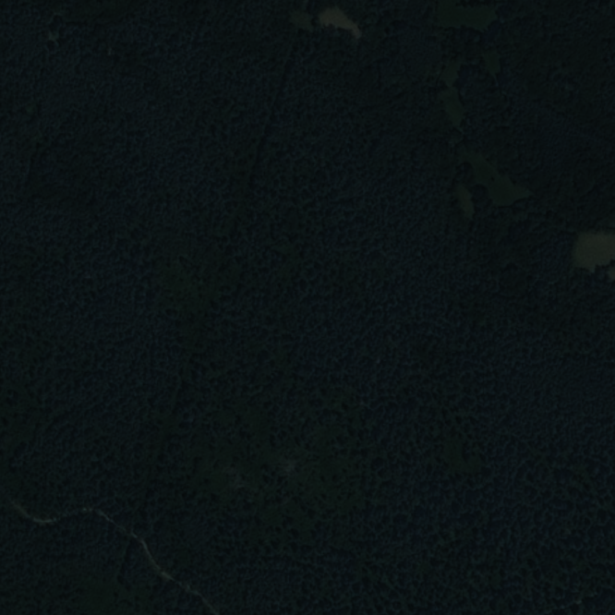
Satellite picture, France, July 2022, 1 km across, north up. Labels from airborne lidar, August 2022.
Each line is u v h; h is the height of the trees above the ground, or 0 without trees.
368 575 8
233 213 6
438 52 23
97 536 19
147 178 20
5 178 15
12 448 9
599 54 27
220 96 21
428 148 20
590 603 33
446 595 19
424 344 15
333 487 7
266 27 15
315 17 11
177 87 18
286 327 26
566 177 23
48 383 22
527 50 26
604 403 25
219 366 21
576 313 20
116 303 23
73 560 19
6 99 17
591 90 28
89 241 22
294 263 6
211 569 10
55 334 28
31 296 17
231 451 7
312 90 22
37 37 24
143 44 22
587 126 21
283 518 6
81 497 23
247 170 9
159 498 11
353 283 12
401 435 23
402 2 29
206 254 21
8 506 10
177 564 17
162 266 8
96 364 20
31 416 17
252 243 12
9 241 25
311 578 20
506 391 8
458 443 6
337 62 19
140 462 9
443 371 9
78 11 21
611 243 0
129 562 25
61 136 17
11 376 18
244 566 7
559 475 32
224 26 14
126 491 16
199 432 11
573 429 21
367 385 17
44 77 25
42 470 14
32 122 19
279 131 26
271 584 23
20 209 18
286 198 22
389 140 25
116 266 24
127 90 21
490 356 23
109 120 24
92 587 8
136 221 9
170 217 21
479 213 15
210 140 12
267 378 17
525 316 19
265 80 28
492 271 21
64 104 20
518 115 29
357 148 15
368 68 26
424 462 21
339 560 13
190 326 9
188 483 8
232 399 12
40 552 21
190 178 22
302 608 18
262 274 15
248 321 17
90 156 19
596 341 24
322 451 9
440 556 13
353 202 25
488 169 0
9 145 21
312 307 22
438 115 21
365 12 9
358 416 6
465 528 15
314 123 14
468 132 22
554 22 24
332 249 26
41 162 15
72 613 20
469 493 7
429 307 26
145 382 20
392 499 21
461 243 20
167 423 7
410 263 22
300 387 8
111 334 25
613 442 32
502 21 22
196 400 8
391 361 32
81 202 23
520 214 17
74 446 13
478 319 18
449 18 0
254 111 22
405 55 24
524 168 21
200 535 20
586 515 8
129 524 22
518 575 6
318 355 23
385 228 22
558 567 19
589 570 22
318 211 20
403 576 27
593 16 29
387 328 9
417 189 17
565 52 27
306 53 21
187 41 26
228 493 7
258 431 10
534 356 21
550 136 25
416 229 24
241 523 19
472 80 28
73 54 19
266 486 6
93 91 22
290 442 9
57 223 21
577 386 25
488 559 13
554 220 11
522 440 8
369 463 7
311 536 8
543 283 32
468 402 23
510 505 26
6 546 13
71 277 11
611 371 20
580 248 0
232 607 22
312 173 14
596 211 23
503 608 7
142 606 8
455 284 25
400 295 7
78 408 23
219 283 8
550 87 28
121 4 25
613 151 25
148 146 21
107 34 21
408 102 20
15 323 15
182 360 26
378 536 8
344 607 13
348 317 25
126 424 19
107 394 21
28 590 18
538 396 27
